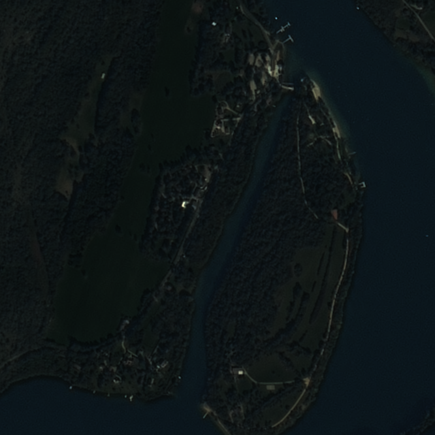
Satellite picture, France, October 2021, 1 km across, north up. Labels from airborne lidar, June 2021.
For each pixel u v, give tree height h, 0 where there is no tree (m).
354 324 0
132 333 19
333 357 0
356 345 0
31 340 16
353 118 0
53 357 11
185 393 0
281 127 8
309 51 0
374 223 0
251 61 0
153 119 0
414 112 0
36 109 9
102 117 14
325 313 0
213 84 8
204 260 16
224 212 14
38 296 13
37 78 7
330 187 13
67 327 0
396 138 0
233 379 12
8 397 0
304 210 7
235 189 24
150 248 8
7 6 7
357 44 0
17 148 11
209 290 0
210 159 11
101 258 0
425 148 0
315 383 10
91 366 15
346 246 7
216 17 10
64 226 11
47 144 18
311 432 0
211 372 12
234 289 10
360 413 0
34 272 15
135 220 0
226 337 12
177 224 14
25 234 14
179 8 0
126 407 0
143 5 14
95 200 28
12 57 6
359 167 0
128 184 0
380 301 0
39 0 8
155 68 0
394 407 0
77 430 0
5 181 10
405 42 9
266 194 15
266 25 12
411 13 9
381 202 0
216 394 13
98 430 0
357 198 10
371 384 0
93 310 0
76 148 0
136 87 20
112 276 0
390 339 0
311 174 7
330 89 0
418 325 0
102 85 0
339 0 0
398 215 0
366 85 0
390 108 0
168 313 9
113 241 0
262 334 12
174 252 13
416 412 0
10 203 5
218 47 11
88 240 6
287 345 9
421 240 0
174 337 10
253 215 16
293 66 0
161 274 0
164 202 12
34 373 13
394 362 0
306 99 12
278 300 0
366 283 0
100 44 18
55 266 16
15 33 8
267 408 8
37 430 0
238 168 17
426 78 0
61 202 19
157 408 0
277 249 11
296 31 0
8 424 0
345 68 0
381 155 0
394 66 0
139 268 0
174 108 0
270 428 8
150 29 26
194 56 0
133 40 17
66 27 10
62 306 0
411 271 0
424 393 0
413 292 0
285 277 6
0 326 10
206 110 0
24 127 9
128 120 0
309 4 0
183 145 0
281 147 11
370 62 0
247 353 9
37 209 18
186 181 11
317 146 6
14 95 11
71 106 20
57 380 0
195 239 7
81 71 19
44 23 9
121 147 26
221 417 12
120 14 15
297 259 0
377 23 9
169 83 0
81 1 12
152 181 0
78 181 0
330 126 14
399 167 0
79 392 0
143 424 0
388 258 0
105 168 17
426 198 0
